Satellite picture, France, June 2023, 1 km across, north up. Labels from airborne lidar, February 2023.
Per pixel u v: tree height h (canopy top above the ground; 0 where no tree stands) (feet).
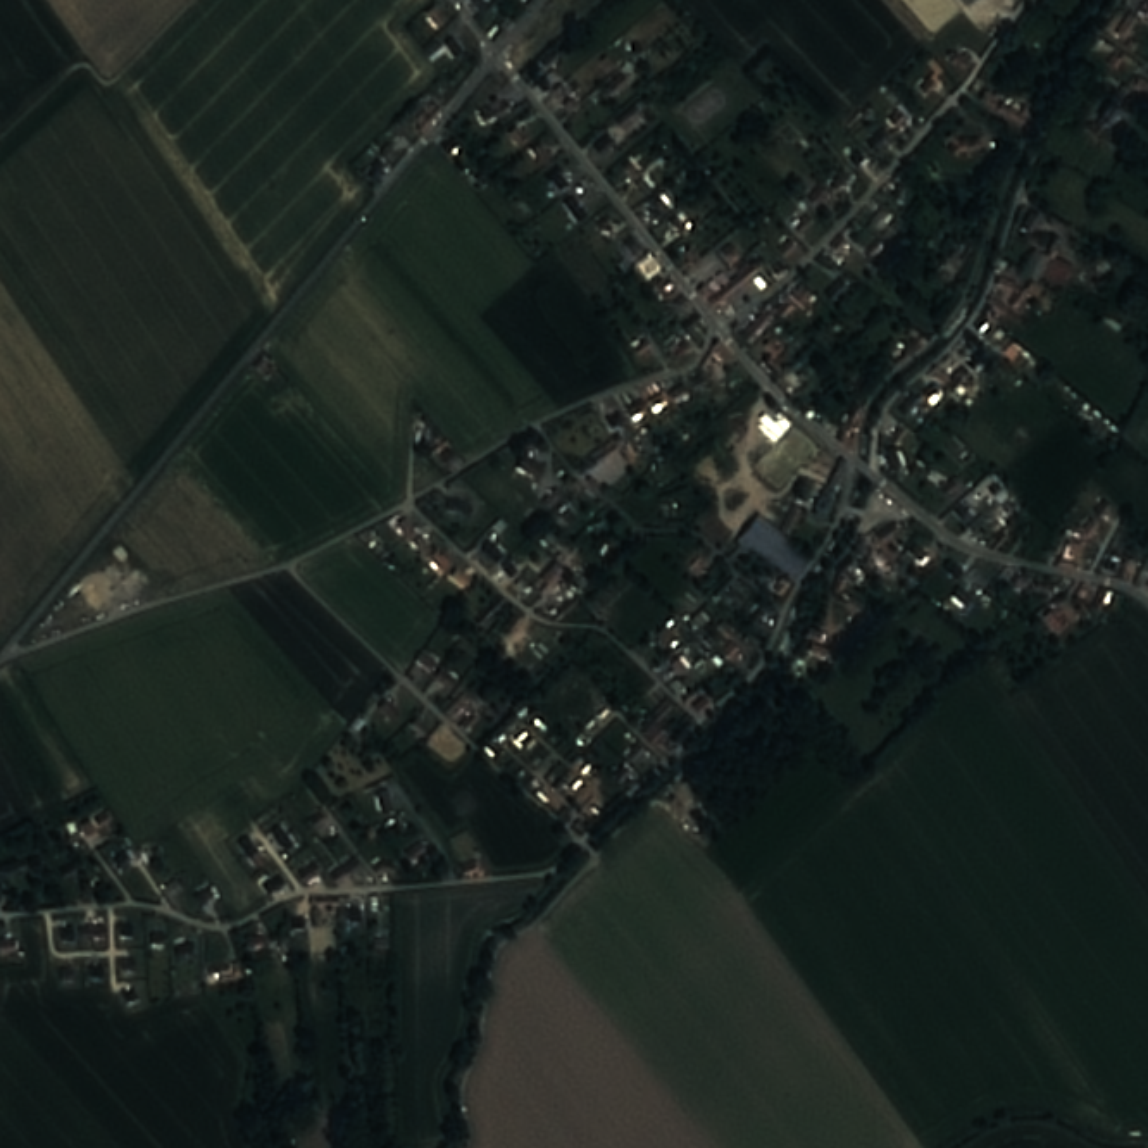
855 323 0
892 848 0
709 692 59
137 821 0
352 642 0
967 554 0
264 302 0
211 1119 0
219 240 0
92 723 0
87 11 0
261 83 0
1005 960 0
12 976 0
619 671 0
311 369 0
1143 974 0
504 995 0
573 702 0
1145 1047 0
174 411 0
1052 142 0
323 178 0
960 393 30
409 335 0
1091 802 0
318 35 0
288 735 0
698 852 0
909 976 0
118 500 0
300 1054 37
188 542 0
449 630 46
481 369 0
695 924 0
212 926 0
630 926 0
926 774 0
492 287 0
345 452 0
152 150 0
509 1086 0
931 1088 0
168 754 0
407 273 0
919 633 0
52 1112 0
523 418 0
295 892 0
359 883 0
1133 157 91
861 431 0
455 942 0
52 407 0
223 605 0
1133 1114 0
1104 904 0
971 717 0
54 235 0
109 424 0
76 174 0
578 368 0
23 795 0
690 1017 0
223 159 0
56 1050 0
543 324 0
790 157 0
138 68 0
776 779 49
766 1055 0
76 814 30
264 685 0
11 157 0
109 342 0
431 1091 0
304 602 0
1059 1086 0
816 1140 0
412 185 0
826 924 0
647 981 0
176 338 0
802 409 21
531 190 0
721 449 0
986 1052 0
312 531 0
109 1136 0
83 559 0
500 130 24
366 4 0
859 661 97
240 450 0
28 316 0
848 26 0
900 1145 0
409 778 0
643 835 0
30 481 0
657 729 0
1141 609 0
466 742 0
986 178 55
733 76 0
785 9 0
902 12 0
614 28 0
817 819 0
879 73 0
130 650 0
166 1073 0
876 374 44
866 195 0
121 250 0
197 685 0
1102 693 0
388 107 0
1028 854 0
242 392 0
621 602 0
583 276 0
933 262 19
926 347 0
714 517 0
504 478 0
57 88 0
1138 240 0
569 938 0
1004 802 0
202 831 0
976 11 0
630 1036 0
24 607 0
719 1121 0
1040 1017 0
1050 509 0
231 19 0
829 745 103
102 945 0
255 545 0
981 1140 0
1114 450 18
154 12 0
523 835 0
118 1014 0
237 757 0
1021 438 0
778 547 0
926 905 0
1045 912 0
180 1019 0
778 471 0
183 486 0
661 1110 0
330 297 0
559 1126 0
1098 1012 0
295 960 55
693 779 71
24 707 0
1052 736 0
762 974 0
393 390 0
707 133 0
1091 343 0
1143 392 19
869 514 0
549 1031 0
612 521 50
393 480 0
